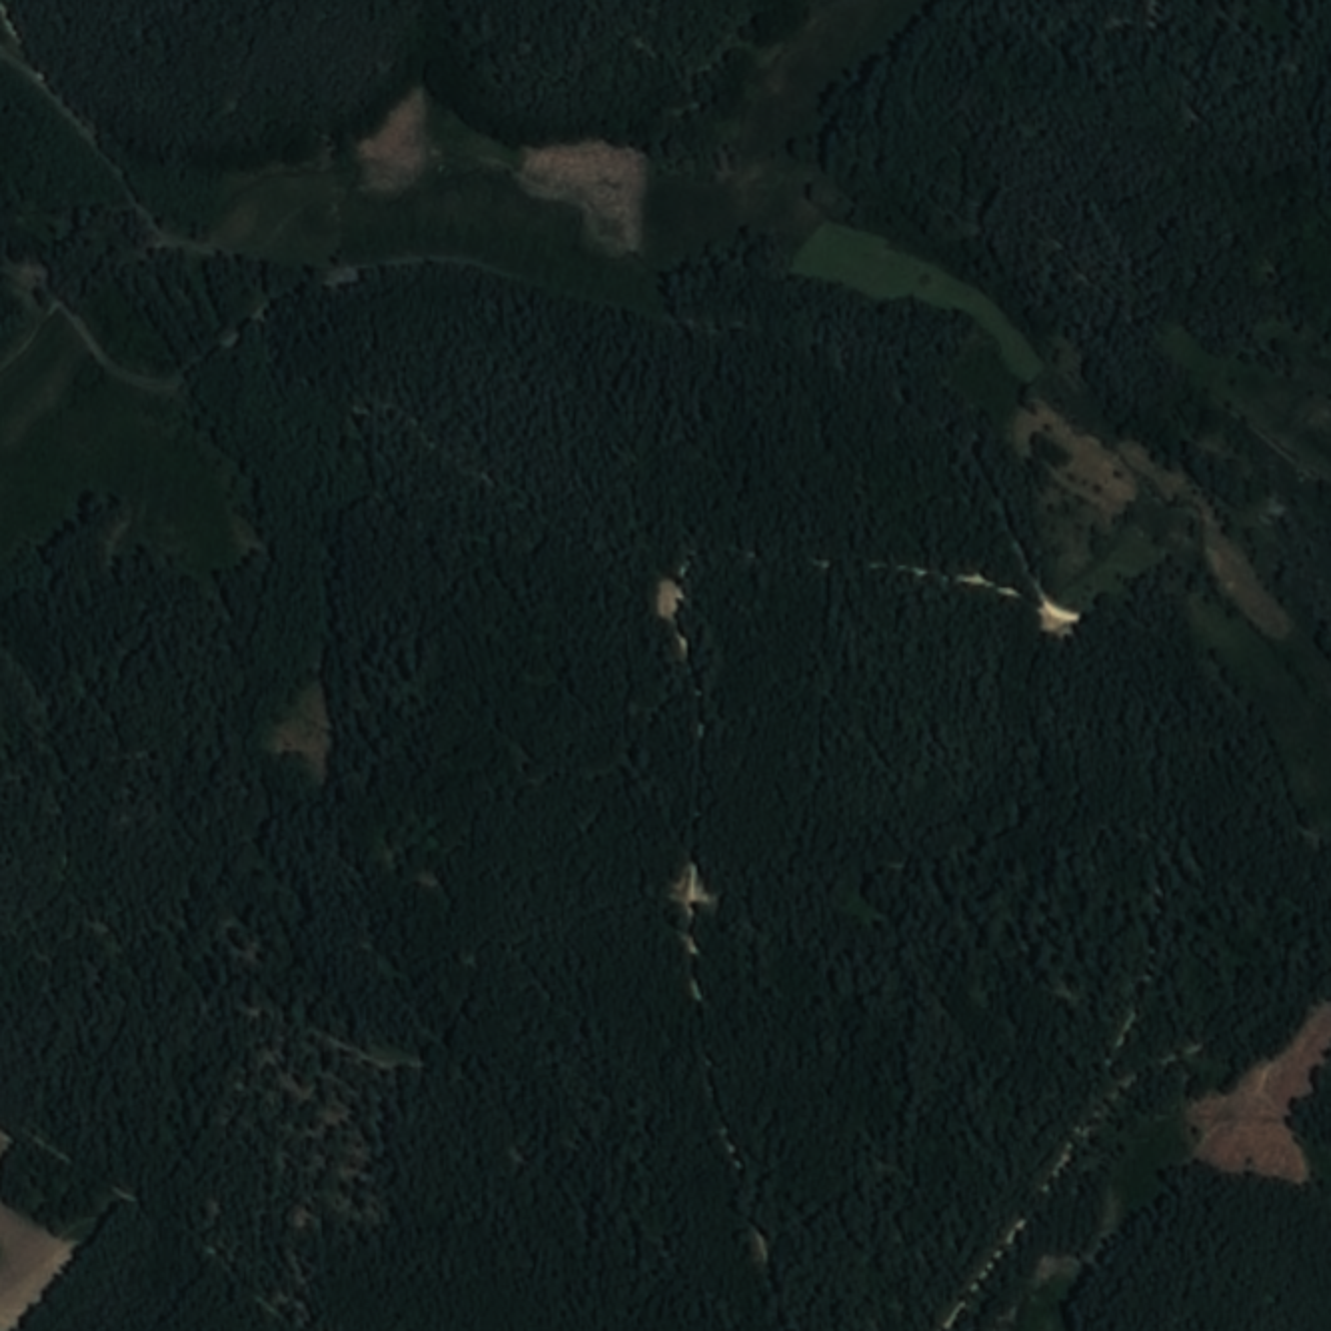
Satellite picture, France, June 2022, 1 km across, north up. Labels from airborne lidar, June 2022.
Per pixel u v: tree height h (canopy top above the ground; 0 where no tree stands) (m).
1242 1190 24
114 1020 26
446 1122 24
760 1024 24
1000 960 30
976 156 16
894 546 13
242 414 19
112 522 25
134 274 15
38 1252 0
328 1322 27
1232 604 10
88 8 23
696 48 19
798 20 19
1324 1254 25
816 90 0
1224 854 26
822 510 21
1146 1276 22
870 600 15
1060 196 21
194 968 19
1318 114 19
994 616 17
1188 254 28
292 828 25
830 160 18
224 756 21
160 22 20
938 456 13
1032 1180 14
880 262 0
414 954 21
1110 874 16
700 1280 23
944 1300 15
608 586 22
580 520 17
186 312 14
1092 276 18
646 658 15
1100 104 19
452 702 20
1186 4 24
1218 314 19
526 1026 18
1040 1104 19
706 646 25
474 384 17
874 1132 14
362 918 23
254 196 0
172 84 20
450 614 17
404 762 21
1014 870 12
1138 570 0
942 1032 27
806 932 26
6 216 19
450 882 19
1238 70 28
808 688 15
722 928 8
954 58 22
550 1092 16
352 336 25
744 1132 18
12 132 17
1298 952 12
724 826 18
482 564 17
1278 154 19
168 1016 26
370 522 28
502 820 16
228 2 20
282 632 16
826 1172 24
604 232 0
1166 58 18
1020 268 20
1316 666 0
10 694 28
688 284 26
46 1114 11
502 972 20
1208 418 14
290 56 17
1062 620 0
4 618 14
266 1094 6
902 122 16
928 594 18
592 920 11
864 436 20
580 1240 27
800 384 25
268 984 30
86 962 22
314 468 20
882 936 20
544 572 19
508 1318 23
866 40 0
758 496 18
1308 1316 18
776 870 24
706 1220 22
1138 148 17
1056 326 13
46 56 15
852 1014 13
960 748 17
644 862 15
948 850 24
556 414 14
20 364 0
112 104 17
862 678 16
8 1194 18
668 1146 20
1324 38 22
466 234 0
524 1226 26
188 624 25
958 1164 18
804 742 16
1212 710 31
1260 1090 0
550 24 21
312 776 13
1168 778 28
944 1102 20
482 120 24
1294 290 18
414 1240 24
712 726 26
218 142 19
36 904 18
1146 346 22
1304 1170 0
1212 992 13
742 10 21
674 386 34
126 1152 27
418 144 0
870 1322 27
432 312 15
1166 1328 21
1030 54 13
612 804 16
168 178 17
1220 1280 22
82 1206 19
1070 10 27
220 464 10
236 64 17
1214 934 33
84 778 21
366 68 16
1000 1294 22
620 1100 26
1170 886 24
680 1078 19
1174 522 0
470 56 11
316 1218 28
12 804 26
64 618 24
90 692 10
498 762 11
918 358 24
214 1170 23
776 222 0
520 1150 31
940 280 0
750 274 23
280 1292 24
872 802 14
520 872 15
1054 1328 0
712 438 26
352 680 25
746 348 22
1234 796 21
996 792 16
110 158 13
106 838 22
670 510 20
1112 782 17
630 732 17
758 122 0
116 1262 22
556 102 19
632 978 25
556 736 16
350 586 28
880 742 15
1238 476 13
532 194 0
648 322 19
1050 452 11
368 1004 30
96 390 6
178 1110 21
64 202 14
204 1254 16
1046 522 10
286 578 17
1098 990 8
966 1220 14
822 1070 26
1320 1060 0
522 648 18
